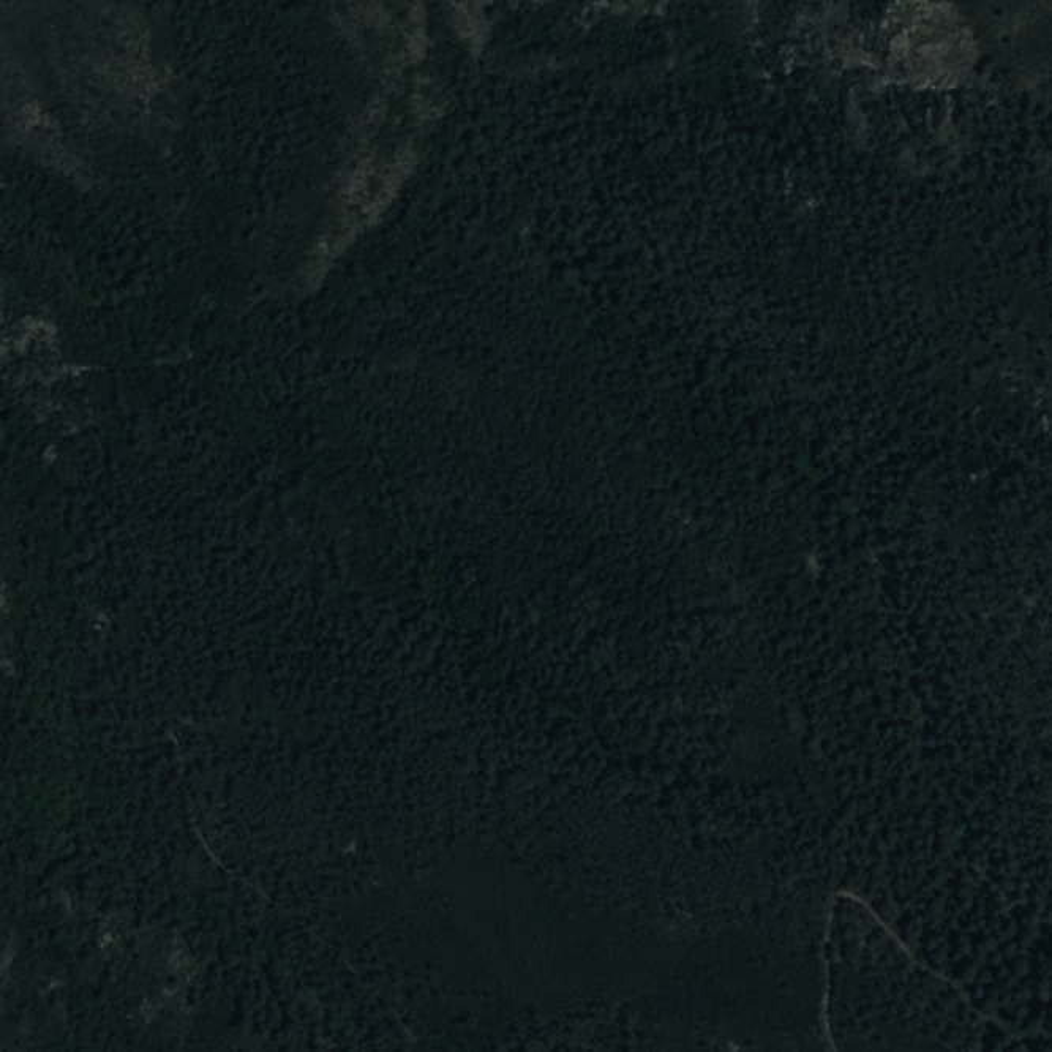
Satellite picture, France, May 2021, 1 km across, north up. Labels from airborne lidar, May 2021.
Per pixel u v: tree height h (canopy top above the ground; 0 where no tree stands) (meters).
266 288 17
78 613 25
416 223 25
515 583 12
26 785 20
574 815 24
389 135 12
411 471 9
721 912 21
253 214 16
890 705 40
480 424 10
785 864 24
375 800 16
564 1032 24
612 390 11
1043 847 20
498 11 33
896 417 21
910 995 18
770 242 8
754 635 5
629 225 21
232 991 14
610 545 17
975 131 11
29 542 26
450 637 30
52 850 18
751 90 15
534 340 8
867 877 26
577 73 9
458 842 17
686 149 14
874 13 9
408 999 7
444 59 15
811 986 6
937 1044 6
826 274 9
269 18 7
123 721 16
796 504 18
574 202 30
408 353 7
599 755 6
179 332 15
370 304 11
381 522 14
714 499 10
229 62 12
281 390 17
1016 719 18
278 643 7
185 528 9
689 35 15
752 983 6
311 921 7
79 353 11
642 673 19
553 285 13
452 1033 7
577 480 11
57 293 10
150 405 7
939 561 21
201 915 19
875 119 9
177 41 11
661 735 10
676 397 14
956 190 19
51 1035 7
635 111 20
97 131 6
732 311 23
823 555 16
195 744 19
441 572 15
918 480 24
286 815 20
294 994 27
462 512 12
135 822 17
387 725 16
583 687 13
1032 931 33
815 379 9
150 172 7
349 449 9
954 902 16
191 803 16
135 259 9
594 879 19
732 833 28
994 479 6
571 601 22
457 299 8
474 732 27
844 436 27
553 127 21
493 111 31
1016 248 8
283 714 13
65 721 19
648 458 12
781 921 20
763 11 7
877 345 23
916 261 14
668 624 10
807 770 8
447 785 16
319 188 6
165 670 12
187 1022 5
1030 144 23
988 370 26
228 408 16
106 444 7
